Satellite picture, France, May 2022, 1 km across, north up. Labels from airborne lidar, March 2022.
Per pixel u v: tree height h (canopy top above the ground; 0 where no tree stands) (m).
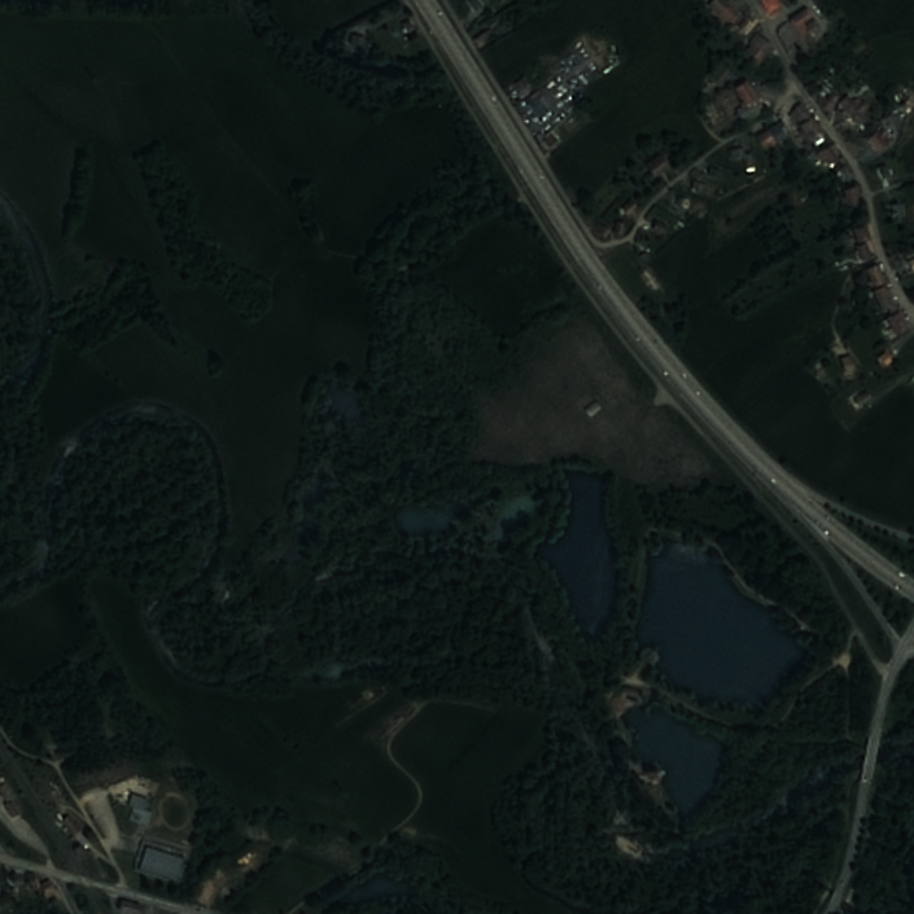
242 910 0
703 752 0
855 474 0
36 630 0
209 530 16
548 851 19
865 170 0
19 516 23
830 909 0
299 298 0
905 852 12
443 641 9
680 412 0
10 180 0
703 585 0
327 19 0
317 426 8
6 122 0
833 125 0
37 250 0
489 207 11
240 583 18
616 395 0
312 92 0
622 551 17
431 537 12
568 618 19
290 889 0
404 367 14
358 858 0
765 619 0
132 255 0
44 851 0
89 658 0
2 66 0
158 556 19
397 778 0
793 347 0
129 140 0
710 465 0
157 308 10
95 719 23
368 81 19
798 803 19
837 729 9
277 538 13
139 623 0
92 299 7
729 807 11
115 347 0
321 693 0
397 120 0
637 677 0
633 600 13
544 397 0
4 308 13
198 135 0
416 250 14
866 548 0
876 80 0
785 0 0
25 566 13
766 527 14
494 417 0
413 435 7
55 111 0
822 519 0
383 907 10
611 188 0
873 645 0
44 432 10
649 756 0
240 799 0
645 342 0
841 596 0
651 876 12
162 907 0
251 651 11
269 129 0
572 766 20
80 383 0
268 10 16
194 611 15
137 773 0
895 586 0
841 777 17
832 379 0
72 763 11
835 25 0
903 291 0
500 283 0
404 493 19
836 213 12
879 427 0
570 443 0
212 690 0
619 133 0
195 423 0
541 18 0
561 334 0
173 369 0
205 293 0
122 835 0
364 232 0
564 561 0
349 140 0
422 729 0
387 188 0
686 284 0
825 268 12
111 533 31
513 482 14
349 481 20
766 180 0
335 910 14
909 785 21
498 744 0
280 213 0
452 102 10
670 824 22
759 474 0
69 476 13
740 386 0
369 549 7
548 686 9
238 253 0
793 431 0
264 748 0
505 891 0
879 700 0
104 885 0
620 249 0
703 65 0
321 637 6
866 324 15
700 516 0
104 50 0
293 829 6
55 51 0
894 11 0
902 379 0
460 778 0
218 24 0
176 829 0
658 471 0
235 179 0
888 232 0
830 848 16
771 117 13
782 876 23
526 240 0
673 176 0
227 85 0
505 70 0
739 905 24
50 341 11
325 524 24
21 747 0
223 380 0
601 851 15
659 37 0
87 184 15
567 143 0
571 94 0
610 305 0
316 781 0
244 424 0
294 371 0
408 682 15
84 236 0
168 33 0
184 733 0
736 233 0
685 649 0
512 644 10
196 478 15
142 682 0
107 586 0
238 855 0
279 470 0
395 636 19
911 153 0
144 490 11
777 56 0
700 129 0
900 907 18
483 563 16
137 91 0
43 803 0
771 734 17
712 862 16
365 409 17
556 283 0
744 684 0
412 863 20
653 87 0
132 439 18
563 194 0
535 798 19
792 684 13
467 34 0
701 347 0
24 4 15
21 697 11
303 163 0
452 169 11
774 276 0
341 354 0
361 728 0
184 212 11
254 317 12
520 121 0
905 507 0
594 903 19
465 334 0
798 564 18
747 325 0
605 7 0
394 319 18
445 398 13
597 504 0
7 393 6
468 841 0
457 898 6
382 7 7
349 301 0
